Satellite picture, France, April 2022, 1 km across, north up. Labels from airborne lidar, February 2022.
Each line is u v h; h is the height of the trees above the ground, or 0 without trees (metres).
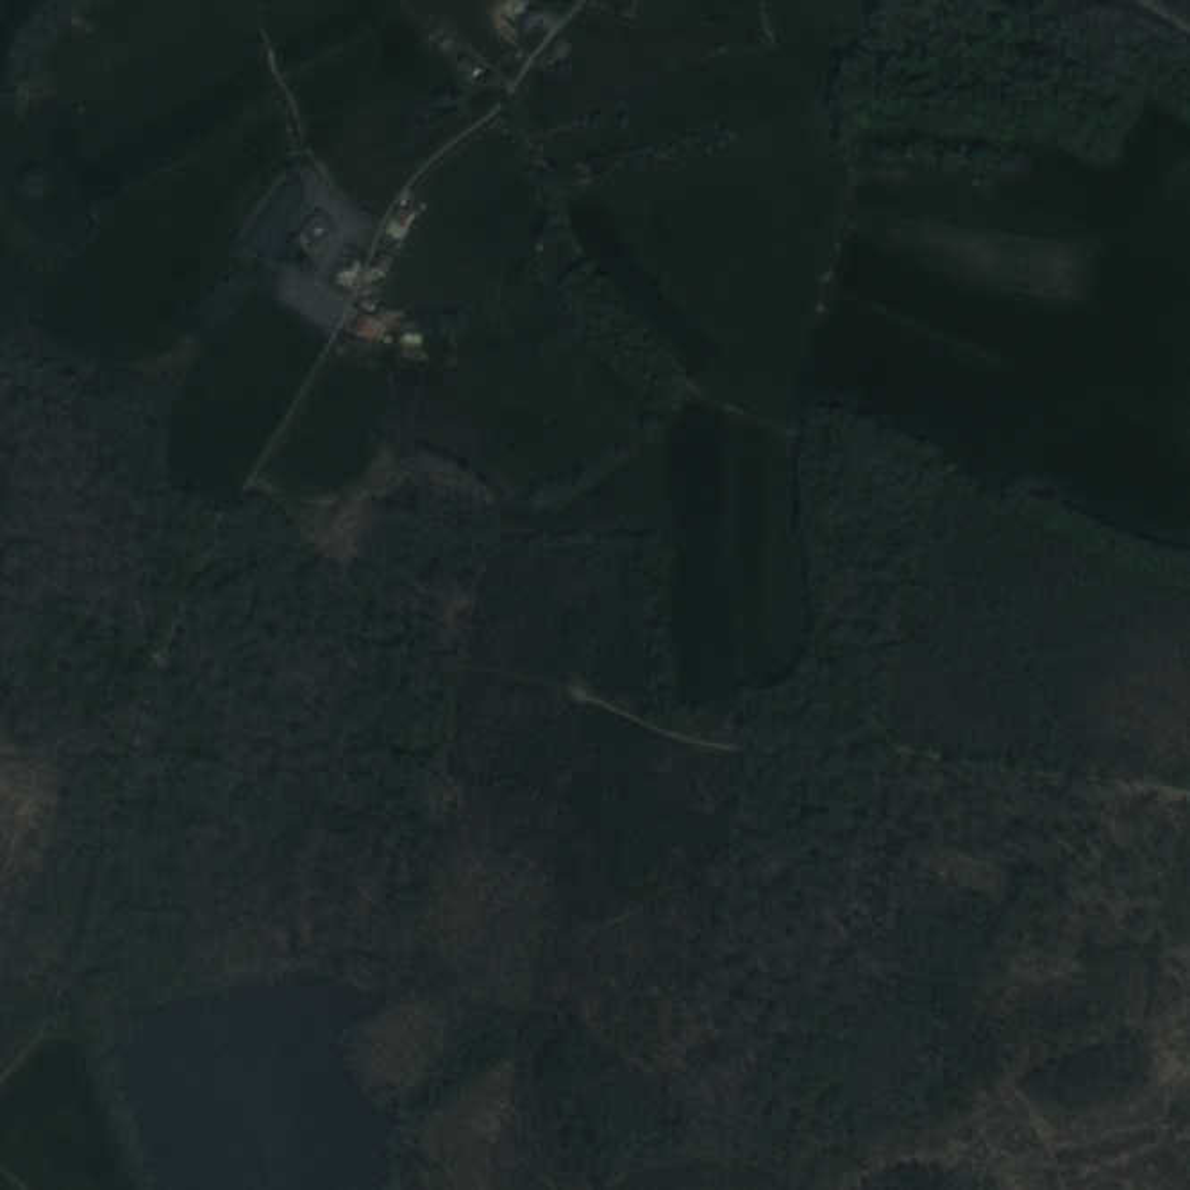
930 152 19
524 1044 7
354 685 24
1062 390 0
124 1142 16
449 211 0
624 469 0
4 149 0
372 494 0
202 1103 0
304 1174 0
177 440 0
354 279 0
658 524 0
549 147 0
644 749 8
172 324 0
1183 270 0
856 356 0
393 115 0
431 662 25
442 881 0
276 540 26
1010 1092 0
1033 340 0
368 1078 11
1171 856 27
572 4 10
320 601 25
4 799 0
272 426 0
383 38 0
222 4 0
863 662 27
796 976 26
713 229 0
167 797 24
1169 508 0
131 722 25
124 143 0
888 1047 18
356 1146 0
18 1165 0
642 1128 17
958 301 0
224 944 28
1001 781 23
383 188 0
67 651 26
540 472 0
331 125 0
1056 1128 0
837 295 0
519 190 0
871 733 25
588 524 0
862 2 0
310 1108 0
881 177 0
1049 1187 0
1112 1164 0
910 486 26
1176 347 0
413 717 23
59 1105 0
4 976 18
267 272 12
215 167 0
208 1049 0
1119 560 20
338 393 0
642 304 0
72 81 0
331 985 0
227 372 0
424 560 23
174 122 0
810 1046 26
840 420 21
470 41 0
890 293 0
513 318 0
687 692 0
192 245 0
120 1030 0
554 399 0
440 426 0
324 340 0
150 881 24
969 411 0
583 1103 11
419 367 0
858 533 20
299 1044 0
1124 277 0
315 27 0
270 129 0
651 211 0
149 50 0
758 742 21
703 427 0
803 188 0
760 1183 0
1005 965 21
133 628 27
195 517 28
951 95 27
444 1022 0
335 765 20
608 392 0
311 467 0
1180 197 0
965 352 0
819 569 21
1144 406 0
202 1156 0
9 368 10
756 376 0
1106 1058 14
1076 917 29
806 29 0
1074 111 21
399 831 24
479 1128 0
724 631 0
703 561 0
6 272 0
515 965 0
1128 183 0
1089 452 0
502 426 0
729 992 24
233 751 24
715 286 0
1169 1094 0
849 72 22
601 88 0
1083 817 22
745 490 0
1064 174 0
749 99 0
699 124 0
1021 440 0
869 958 26
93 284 0
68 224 0
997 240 0
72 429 27
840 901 27
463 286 0
